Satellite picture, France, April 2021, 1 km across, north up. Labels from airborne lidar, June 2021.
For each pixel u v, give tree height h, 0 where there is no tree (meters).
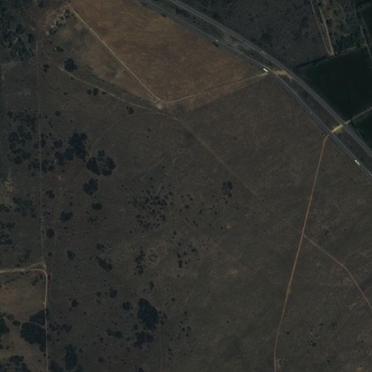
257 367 0
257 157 0
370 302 0
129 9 0
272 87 0
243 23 0
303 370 0
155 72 0
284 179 0
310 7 0
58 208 0
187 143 0
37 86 0
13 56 14
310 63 6
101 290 0
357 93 0
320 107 0
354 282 0
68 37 0
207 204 0
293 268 0
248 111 0
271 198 0
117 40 0
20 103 0
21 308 0
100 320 0
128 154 0
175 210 0
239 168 0
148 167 0
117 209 0
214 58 0
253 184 0
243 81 0
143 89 0
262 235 0
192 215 0
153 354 0
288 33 0
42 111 0
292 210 0
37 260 0
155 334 0
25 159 0
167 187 0
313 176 0
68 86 0
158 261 0
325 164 0
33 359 0
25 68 0
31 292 0
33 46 0
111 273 0
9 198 0
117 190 0
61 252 0
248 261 0
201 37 0
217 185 0
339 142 0
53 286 0
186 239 0
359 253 0
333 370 0
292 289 0
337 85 0
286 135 0
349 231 0
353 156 0
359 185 0
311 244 0
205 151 0
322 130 0
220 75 0
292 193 0
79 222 0
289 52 0
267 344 0
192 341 0
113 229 0
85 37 0
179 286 0
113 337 0
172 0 0
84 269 0
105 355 0
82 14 0
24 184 0
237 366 0
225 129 0
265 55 0
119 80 0
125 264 0
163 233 0
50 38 0
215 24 0
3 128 0
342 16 0
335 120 0
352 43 7
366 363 0
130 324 0
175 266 0
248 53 0
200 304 0
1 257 0
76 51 0
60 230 0
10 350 0
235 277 0
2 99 0
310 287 0
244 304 0
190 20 0
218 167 0
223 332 0
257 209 0
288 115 0
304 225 0
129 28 0
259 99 0
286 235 0
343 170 0
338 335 0
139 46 0
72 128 0
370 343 0
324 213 0
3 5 13
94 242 0
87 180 0
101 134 0
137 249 0
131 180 0
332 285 0
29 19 0
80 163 0
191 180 0
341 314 0
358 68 0
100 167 0
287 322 0
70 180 0
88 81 0
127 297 0
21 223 0
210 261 0
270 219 0
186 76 0
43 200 0
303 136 0
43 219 0
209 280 0
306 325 0
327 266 0
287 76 0
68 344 0
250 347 0
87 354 0
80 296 0
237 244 0
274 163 0
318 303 0
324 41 0
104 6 0
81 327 0
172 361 0
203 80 0
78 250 0
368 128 0
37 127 0
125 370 0
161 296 0
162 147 0
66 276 0
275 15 0
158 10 0
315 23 0
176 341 0
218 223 0
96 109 0
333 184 0
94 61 0
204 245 0
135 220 0
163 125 0
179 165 0
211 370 0
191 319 0
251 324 0
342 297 0
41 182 0
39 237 0
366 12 0
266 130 0
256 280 0
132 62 0
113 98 0
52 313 0
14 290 0
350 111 0
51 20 0
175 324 0
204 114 0
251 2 0
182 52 0
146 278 0
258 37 0
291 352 0
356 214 0
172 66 0
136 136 0
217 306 0
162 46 0
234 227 0
